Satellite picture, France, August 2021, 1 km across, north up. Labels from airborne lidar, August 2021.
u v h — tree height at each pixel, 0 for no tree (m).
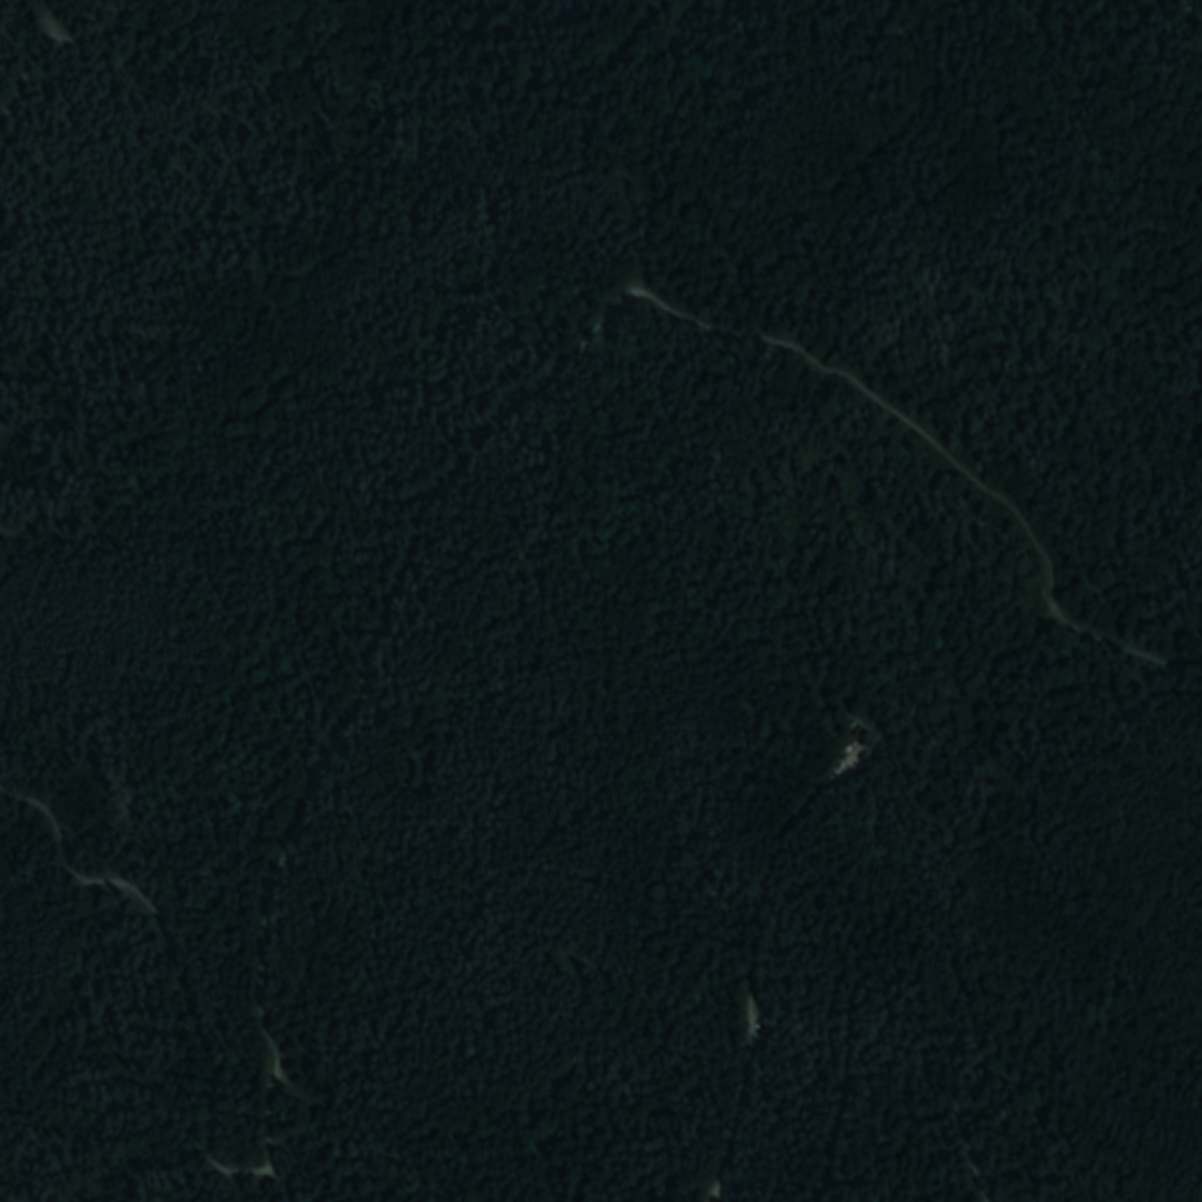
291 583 17
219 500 25
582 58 24
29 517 22
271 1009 20
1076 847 21
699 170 23
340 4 24
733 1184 12
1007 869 18
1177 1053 17
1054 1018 25
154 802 19
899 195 24
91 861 16
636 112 20
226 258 22
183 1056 18
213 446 21
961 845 14
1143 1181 20
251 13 26
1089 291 28
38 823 19
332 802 27
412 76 26
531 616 26
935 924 15
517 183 23
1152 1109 16
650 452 24
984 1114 10
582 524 16
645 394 18
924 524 13
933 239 26
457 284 8
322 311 21
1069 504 30
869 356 22
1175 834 19
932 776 8
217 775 19
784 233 26
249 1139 22
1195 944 15
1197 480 29
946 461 9
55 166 20
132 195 25
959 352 15
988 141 30
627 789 14
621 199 23
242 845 22
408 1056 25
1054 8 26
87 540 13
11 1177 15
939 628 6
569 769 30
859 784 20
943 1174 27
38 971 21
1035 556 14
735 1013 23
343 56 27
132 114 28
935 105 26
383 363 9
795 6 26
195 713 25
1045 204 26
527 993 21
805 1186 24
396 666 10
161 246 29
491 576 19
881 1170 22
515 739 30
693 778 19
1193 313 25
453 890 27
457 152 23
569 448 17
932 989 24
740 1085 21
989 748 8
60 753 8
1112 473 21
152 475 16
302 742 16
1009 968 23
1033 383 27
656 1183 25
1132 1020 16
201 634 19
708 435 21
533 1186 19
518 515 22
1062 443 22
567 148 19
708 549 24
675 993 24
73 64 17
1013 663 24
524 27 24
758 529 20
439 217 18
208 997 21
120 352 26
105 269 28
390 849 15
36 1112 16
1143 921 16
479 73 27
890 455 15
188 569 16
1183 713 15
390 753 25
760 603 25
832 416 17
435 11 26
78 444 27
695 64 29
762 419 16
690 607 20
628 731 16
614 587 16
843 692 14
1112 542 27
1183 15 26
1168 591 15
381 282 24
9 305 7
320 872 26
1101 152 22
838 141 22
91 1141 9
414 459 25
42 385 25
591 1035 23
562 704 29
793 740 18
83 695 12
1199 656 17
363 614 16
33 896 21
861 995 21
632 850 23
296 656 21
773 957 14
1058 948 13
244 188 12
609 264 20
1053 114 29
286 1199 23
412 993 22
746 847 28
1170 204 25
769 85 29
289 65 26
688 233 25
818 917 18
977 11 25
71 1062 16
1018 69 27
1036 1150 16
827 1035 25
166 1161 6
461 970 28
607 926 23
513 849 31
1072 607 14
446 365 15
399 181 19
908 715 16
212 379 18
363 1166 21
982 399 22
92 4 25
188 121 29
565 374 22
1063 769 25
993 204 29
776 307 12
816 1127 28
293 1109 30
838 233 21
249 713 25
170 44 16
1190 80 30
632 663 18
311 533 18
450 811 27
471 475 24
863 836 13
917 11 32
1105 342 26
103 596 18
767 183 18
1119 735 23
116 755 16
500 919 32
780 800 20
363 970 20
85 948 6
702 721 22
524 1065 28
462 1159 20
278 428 17
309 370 23
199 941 21
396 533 26
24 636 19
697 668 16
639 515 17
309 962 12
